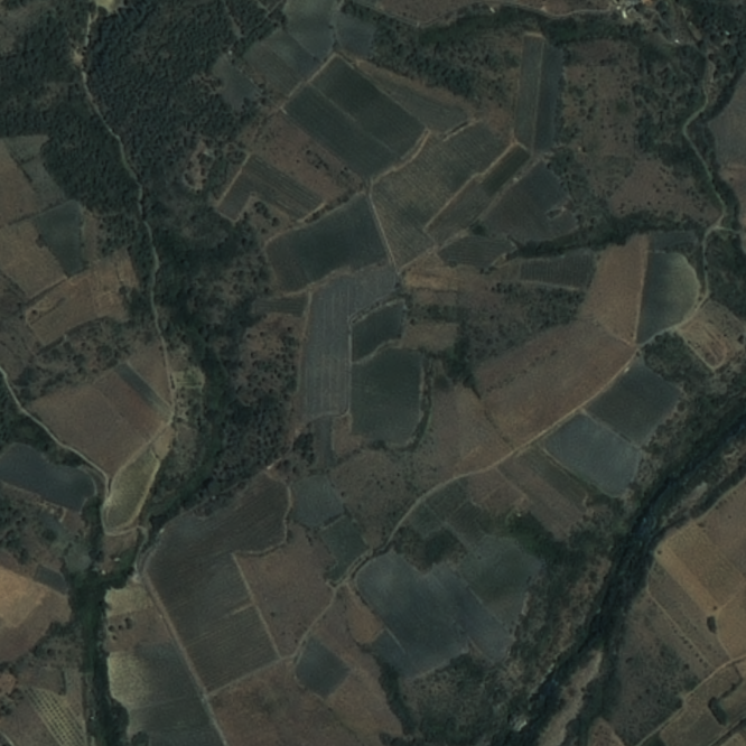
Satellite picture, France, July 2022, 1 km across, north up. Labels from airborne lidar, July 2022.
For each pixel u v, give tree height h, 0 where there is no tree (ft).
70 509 0
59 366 0
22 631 0
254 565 0
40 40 38
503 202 0
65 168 32
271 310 0
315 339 0
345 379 0
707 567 0
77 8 43
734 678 0
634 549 35
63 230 0
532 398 0
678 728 0
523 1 0
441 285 0
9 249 0
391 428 0
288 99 0
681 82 28
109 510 0
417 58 34
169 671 0
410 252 0
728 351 0
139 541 26
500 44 0
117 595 0
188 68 39
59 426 0
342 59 0
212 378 35
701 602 0
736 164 0
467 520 0
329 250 0
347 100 0
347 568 0
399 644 0
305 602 0
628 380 0
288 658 0
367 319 0
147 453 0
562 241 0
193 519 0
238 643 0
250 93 0
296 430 0
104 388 0
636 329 0
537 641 22
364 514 0
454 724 25
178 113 27
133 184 25
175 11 24
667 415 0
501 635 0
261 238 0
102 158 46
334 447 0
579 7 0
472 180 0
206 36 38
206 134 28
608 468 0
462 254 0
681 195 0
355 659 0
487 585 0
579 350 0
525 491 0
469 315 0
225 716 0
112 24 46
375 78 0
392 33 35
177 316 42
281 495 0
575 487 0
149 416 0
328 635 0
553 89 0
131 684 0
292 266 0
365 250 0
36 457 0
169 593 0
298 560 0
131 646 0
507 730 23
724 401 23
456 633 0
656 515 28
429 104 0
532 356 0
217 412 30
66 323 0
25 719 0
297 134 0
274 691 0
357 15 19
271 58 0
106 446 0
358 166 0
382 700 0
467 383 21
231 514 0
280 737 0
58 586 0
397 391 0
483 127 0
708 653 0
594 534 22
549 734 0
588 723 29
